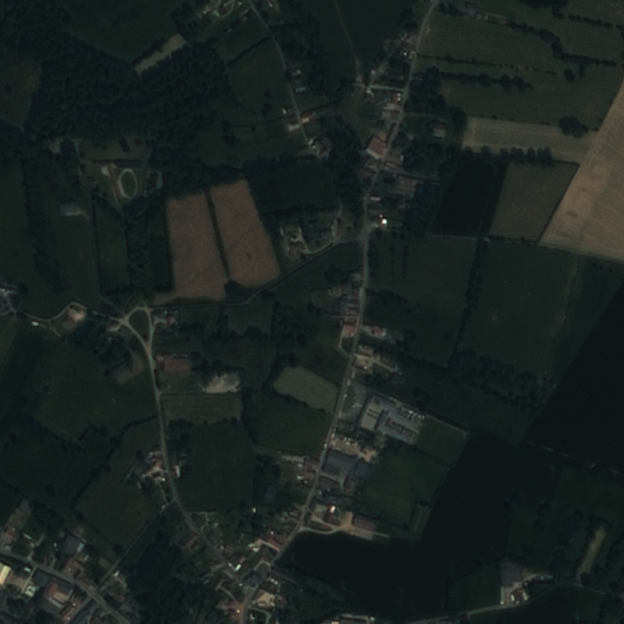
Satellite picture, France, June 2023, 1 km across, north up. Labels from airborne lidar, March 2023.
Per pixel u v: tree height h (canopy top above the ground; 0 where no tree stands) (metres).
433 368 16
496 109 0
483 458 0
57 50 26
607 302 0
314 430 0
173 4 0
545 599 0
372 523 0
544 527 15
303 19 32
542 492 0
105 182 0
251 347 0
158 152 24
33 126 23
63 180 0
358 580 0
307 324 0
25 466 0
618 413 0
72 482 0
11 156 20
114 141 0
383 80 8
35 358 0
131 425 7
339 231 0
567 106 0
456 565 0
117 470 0
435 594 0
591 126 0
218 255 0
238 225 0
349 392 0
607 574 10
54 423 0
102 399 0
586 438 0
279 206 0
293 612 0
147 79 20
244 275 0
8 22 31
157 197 17
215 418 0
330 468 0
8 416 0
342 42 0
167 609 9
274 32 9
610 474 0
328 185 0
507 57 0
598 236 0
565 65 0
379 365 0
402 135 9
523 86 12
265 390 14
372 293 8
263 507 0
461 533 0
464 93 0
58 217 0
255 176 35
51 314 0
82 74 28
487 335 0
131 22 0
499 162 0
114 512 0
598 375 0
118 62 24
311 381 0
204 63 25
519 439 0
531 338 0
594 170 0
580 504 0
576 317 0
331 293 0
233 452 0
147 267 27
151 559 30
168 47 0
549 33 8
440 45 0
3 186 0
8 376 0
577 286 0
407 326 0
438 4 0
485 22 0
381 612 0
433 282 0
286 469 0
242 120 0
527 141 0
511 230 0
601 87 0
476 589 0
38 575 0
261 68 0
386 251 0
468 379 12
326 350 0
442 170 19
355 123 0
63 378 0
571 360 0
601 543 0
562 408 0
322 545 0
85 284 0
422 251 0
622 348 0
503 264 0
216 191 0
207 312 0
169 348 0
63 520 5
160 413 0
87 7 0
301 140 0
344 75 0
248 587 0
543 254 0
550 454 0
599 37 0
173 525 0
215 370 15
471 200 0
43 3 24
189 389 0
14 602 18
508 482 0
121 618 0
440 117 0
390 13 0
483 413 0
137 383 0
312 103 0
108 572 0
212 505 0
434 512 0
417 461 0
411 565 0
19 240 0
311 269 0
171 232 0
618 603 18
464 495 0
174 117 21
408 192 0
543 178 0
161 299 0
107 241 0
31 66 0
